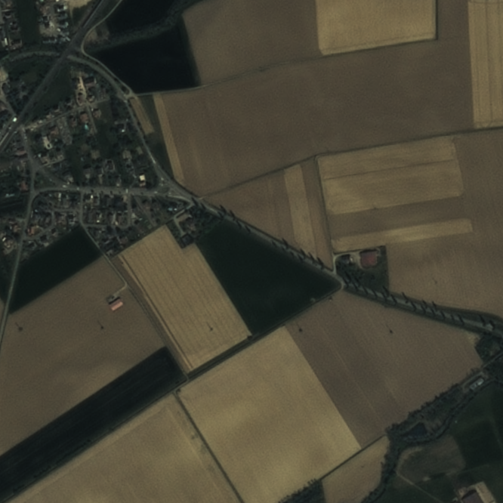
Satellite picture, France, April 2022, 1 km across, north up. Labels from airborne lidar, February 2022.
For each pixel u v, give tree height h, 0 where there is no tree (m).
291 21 0
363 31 0
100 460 0
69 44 0
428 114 0
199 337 0
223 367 0
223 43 0
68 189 0
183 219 0
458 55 0
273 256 0
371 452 0
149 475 0
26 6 0
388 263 0
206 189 0
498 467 0
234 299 0
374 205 0
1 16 0
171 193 0
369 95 0
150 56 0
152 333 0
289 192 0
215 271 0
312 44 0
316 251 0
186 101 0
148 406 0
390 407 0
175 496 0
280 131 0
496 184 0
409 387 0
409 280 0
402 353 0
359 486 0
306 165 0
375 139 0
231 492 0
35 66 8
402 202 0
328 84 0
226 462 0
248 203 0
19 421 0
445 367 0
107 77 0
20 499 0
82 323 0
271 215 0
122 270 0
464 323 25
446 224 0
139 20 0
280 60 0
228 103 0
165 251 0
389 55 0
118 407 0
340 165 0
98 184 9
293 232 0
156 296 0
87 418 0
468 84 0
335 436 0
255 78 0
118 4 0
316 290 0
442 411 16
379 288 0
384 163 0
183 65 0
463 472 0
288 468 0
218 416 0
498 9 0
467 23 0
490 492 0
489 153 0
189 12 0
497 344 6
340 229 0
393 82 0
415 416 14
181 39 0
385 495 0
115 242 8
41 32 0
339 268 9
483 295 0
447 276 0
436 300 0
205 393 0
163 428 0
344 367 0
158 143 0
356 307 0
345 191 0
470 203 0
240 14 0
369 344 0
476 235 0
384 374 0
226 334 0
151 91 0
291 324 0
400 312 0
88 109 0
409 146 0
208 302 0
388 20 0
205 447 0
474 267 0
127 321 0
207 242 0
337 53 0
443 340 0
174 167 0
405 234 0
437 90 0
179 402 0
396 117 0
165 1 0
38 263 0
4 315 0
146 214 0
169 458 0
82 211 0
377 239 0
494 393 0
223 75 0
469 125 0
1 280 0
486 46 0
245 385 0
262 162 0
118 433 0
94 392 0
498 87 0
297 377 0
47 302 0
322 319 0
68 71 0
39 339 0
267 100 0
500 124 0
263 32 0
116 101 12
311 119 0
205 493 0
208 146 0
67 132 0
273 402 0
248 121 0
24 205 0
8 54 7
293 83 0
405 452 0
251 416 0
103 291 0
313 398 0
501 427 0
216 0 0
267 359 0
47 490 0
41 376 0
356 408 0
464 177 0
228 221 0
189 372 0
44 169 0
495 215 0
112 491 0
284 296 0
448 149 0
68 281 0
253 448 0
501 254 0
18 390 0
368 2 0
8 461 0
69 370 0
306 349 0
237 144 0
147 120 0
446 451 0
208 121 0
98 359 0
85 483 0
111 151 0
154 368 0
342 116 0
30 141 0
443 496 0
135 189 0
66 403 0
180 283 0
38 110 0
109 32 0
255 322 0
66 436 0
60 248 0
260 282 0
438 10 0
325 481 0
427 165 0
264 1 0
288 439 0
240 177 0
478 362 0
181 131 0
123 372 0
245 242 0
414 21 0
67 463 0
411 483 0
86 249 0
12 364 0
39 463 0
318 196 0
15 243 0
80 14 0
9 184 0
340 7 0
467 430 0
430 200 0
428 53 0
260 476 0
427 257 0
